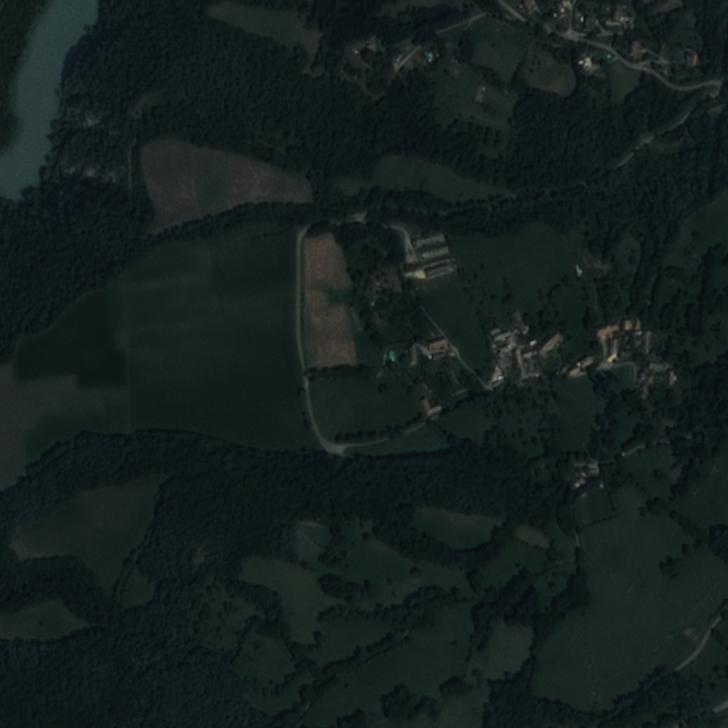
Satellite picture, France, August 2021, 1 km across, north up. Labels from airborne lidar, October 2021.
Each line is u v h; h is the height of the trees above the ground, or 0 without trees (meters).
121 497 0
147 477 12
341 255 0
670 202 13
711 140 10
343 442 9
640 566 0
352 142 7
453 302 0
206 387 0
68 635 0
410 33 13
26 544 0
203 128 16
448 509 10
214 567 9
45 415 0
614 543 0
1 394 0
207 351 0
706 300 16
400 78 11
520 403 14
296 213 11
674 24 10
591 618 0
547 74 0
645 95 10
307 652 15
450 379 6
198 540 11
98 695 16
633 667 0
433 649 0
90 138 9
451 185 0
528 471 13
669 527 0
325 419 0
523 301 0
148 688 16
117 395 0
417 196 17
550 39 10
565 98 8
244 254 0
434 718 10
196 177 0
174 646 16
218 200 0
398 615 20
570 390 0
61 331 0
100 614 24
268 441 0
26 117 0
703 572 0
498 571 0
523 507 22
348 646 0
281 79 15
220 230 10
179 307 0
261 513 19
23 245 19
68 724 13
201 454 22
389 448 0
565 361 6
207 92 17
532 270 0
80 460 21
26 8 17
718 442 7
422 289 0
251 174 0
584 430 0
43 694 26
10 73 14
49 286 14
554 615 14
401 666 0
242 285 0
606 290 11
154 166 0
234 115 16
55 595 21
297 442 0
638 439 15
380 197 18
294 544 7
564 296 0
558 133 13
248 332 0
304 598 0
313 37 0
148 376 0
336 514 23
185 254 0
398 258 19
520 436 6
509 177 10
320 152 15
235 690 16
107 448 19
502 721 20
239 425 0
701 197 10
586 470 6
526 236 0
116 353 0
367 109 9
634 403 14
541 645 10
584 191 18
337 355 0
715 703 0
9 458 0
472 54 9
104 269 14
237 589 19
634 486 7
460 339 0
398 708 15
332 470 29
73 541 0
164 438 18
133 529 0
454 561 14
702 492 0
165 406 0
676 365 7
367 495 27
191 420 0
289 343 0
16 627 0
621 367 0
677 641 0
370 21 18
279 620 14
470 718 0
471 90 0
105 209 21
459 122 11
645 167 10
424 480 28
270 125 16
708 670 0
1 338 11
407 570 0
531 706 21
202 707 21
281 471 23
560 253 0
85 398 0
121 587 7
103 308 0
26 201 10
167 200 0
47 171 19
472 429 0
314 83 17
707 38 17
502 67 0
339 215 16
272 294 0
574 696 0
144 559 17
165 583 12
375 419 0
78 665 17
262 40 12
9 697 31
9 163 0
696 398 7
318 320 0
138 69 12
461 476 23
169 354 0
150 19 13
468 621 0
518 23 12
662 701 18
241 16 0
